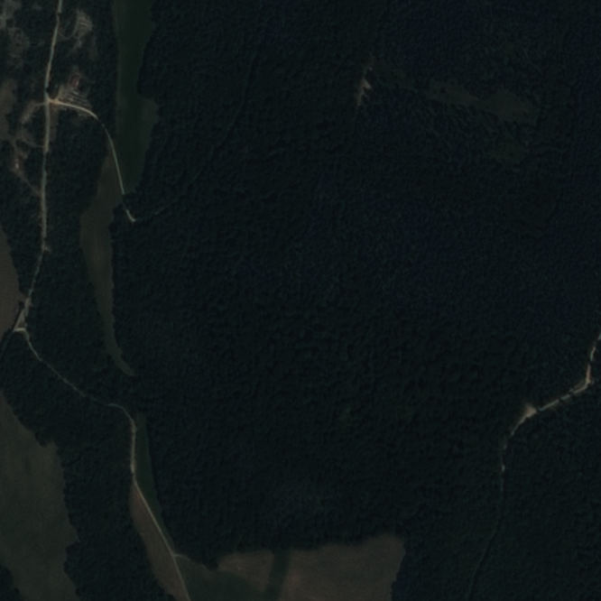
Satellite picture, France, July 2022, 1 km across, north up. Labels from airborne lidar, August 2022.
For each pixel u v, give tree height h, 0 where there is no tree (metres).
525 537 17
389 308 25
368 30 17
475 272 31
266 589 0
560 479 16
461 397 29
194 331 20
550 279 36
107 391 10
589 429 13
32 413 17
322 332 25
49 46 6
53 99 0
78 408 16
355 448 26
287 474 20
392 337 25
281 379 25
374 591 0
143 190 18
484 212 21
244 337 23
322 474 20
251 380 27
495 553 16
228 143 24
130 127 0
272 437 21
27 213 12
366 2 19
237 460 21
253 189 25
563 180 31
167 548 0
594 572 20
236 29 18
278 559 0
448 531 17
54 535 0
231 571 0
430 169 22
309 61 25
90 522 17
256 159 26
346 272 33
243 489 26
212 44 17
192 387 19
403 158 23
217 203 31
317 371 22
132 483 8
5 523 0
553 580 16
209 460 24
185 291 19
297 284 25
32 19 7
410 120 9
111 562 19
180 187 25
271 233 22
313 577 0
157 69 22
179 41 19
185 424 20
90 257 0
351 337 22
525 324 33
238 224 25
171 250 16
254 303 27
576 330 30
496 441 19
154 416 24
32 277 13
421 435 27
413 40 27
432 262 29
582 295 33
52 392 18
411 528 17
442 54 26
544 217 20
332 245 29
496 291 32
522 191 19
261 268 31
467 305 31
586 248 31
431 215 28
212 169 23
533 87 22
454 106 0
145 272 20
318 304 16
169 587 0
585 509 13
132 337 18
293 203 22
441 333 24
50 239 8
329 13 19
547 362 35
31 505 0
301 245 32
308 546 20
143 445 0
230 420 22
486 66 29
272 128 24
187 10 19
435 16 32
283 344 29
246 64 19
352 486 17
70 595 0
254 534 19
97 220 0
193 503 24
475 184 18
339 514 23
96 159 17
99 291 0
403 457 23
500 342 30
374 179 21
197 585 0
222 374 27
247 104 26
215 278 23
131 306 18
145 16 0
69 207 11
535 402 10
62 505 0
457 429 25
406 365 23
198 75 21
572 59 33
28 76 9
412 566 28
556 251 34
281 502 10
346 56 22
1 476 0
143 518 0
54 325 14
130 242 23
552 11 24
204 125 21
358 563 0
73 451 13
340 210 24
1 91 0
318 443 23
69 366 18
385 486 23
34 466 0
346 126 21
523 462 17
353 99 21
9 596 18
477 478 17
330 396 23
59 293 12
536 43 28
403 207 27
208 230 26
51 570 0
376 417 24
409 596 22
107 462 11
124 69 0
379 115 27
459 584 16
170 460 20
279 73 24
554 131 25
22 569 0
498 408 21
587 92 36
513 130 27
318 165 27
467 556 15
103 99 13
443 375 20
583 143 37
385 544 0
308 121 22
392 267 31
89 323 15
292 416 27
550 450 17
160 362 21
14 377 15
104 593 15
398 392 23
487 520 17
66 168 9
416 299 30
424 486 22
